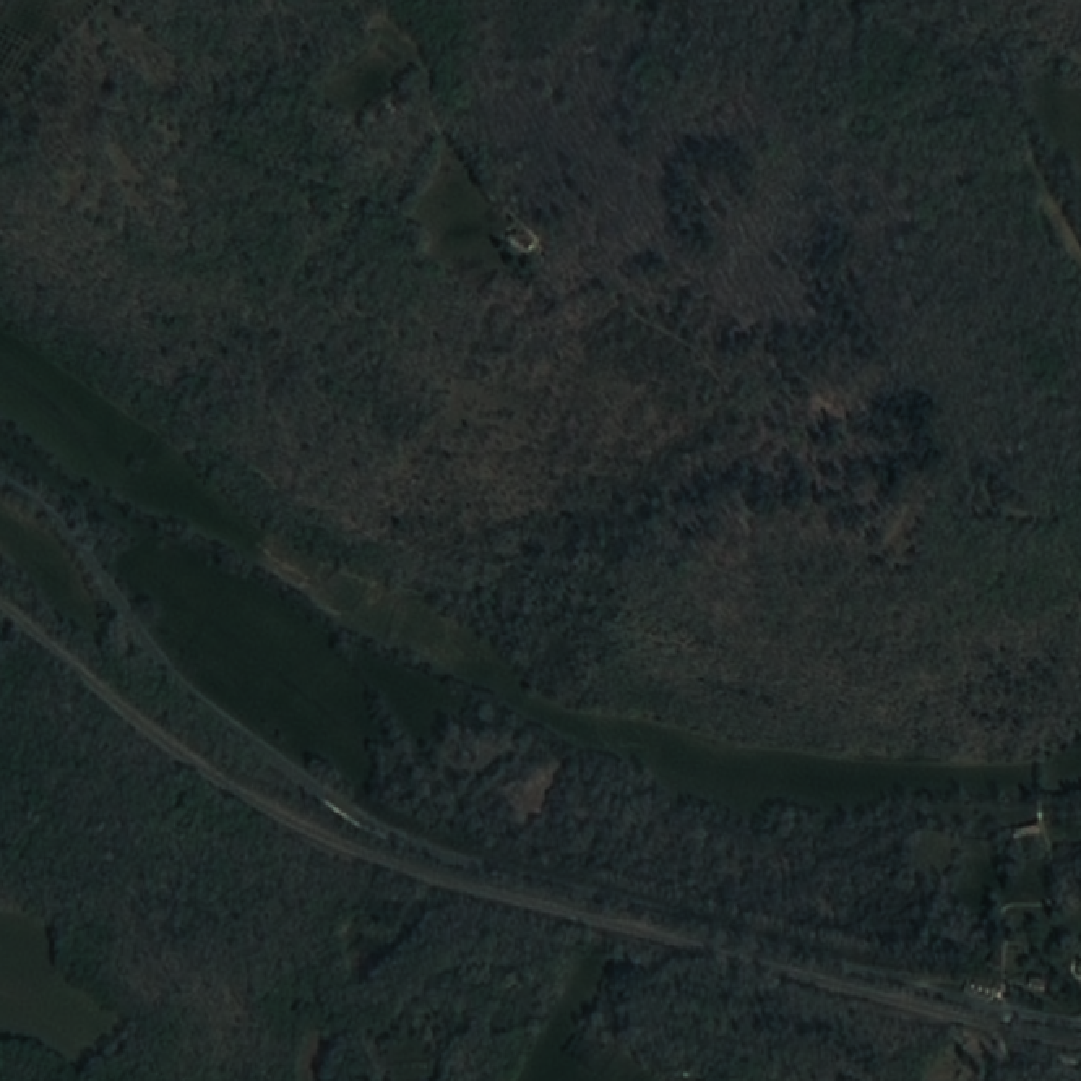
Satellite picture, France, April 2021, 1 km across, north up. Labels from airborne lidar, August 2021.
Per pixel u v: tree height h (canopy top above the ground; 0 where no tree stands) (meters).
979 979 15
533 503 15
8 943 0
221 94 20
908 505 13
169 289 15
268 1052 22
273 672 0
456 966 17
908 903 7
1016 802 11
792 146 17
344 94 0
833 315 18
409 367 13
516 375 15
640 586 14
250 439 15
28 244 9
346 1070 20
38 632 12
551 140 18
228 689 0
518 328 12
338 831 9
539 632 12
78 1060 0
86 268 10
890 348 20
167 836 23
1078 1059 11
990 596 17
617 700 18
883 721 7
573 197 21
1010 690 14
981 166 24
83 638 22
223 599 0
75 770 14
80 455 0
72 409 0
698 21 11
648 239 15
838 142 20
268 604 0
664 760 0
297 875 18
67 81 18
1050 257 22
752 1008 7
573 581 11
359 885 12
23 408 0
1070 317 17
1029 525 13
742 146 14
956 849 25
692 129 12
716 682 12
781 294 17
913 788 0
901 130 23
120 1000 18
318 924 14
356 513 14
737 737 19
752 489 15
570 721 0
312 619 13
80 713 17
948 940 32
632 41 15
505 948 18
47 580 0
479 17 12
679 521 16
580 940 14
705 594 12
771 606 18
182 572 0
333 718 0
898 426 21
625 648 14
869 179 19
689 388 8
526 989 22
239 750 19
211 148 9
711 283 15
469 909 9
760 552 20
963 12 22
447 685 11
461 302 17
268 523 19
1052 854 7
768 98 18
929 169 25
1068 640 12
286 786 9
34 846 20
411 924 7
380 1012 12
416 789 24
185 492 0
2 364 0
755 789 0
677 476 11
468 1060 16
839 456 8
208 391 23
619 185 16
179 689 17
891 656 10
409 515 10
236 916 21
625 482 23
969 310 19
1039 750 14
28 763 17
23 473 13
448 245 0
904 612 15
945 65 15
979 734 12
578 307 16
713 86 16
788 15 15
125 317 13
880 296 20
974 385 18
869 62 20
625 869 17
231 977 15
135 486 0
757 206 17
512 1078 21
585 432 17
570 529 13
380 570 17
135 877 20
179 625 0
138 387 20
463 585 20
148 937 18
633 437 16
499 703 13
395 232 19
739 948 21
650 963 11
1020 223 18
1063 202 16
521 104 18
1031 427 16
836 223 20
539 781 0
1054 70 12
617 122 20
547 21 13
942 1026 7
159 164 14
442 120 18
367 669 0
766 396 19
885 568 18
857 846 17
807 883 12
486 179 22
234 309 17
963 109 18
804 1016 18
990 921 15
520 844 21
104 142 15
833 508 19
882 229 18
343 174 23
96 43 12
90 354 19
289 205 14
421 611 0
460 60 17
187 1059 17
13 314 20
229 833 19
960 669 16
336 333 10
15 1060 15
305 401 14
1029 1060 13
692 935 21
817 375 21
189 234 16
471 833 22
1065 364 20
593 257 15
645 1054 14
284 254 18
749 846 18
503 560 6
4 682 22
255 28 19
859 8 25
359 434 13
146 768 15
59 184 7
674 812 9
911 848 28
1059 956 17
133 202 0
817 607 19
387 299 18
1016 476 22
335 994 23
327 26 19
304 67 13
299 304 18
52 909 21
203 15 17
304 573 0
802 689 13
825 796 0
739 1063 14
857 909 10
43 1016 0
